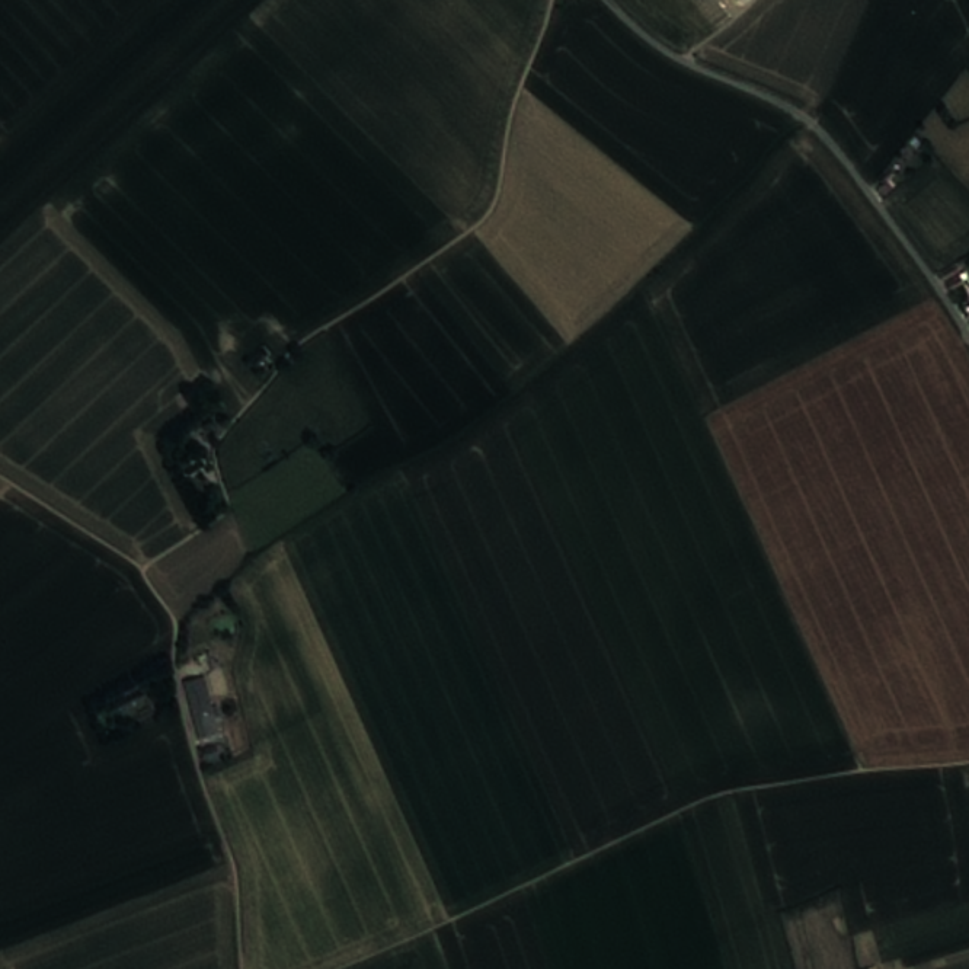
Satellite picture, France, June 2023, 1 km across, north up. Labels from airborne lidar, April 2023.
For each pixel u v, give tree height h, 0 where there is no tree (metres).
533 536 0
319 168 0
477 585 0
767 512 0
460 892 0
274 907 0
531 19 0
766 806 0
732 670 0
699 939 0
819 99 0
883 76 0
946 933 0
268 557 0
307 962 0
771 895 0
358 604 0
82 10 0
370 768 0
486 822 0
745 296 0
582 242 0
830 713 0
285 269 0
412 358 0
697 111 0
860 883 0
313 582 0
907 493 0
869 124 0
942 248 0
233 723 0
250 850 0
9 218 0
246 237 0
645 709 0
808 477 0
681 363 0
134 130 0
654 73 0
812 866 0
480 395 0
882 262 0
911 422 0
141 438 0
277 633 0
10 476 0
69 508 0
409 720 0
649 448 0
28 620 0
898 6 0
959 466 0
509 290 0
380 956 0
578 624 0
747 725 0
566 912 0
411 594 0
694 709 0
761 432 0
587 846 0
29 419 0
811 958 0
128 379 0
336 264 0
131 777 0
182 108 0
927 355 0
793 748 0
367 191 0
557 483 0
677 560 0
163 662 16
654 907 0
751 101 0
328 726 0
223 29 0
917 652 0
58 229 0
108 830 0
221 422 14
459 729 0
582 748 0
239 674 0
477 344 0
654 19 0
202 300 0
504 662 0
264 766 0
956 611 0
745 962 0
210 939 0
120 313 0
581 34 0
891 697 0
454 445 0
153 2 0
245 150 0
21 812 0
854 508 0
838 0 0
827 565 0
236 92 0
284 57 0
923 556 0
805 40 0
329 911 0
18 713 0
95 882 0
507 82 0
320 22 0
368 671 0
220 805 0
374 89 0
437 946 0
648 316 0
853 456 0
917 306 0
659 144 0
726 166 0
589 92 0
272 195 0
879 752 0
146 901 0
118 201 0
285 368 14
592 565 0
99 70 0
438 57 0
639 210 0
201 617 0
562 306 0
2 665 0
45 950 0
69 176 0
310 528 0
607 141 0
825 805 0
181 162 0
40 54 0
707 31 0
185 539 0
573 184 0
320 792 0
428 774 0
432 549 0
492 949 0
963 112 0
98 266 0
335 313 0
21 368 0
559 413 0
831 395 0
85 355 0
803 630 0
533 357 0
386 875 0
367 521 0
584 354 0
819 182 0
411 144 0
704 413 0
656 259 0
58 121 0
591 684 0
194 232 0
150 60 0
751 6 0
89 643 0
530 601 0
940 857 0
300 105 0
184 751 0
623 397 0
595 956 0
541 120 0
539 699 0
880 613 0
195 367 0
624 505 0
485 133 0
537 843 0
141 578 0
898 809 0
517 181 0
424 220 0
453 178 0
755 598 0
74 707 0
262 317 0
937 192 0
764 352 0
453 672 0
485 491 0
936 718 0
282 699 0
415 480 0
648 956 0
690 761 0
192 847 0
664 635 0
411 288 0
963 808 0
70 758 0
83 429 0
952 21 0
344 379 0
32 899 0
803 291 0
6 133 0
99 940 0
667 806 0
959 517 0
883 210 0
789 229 0
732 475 0
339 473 0
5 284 0
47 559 0
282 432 0
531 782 0
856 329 0
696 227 0
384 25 0
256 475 0
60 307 0
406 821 0
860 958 0
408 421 0
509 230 0
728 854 0
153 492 0
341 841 0
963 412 0
